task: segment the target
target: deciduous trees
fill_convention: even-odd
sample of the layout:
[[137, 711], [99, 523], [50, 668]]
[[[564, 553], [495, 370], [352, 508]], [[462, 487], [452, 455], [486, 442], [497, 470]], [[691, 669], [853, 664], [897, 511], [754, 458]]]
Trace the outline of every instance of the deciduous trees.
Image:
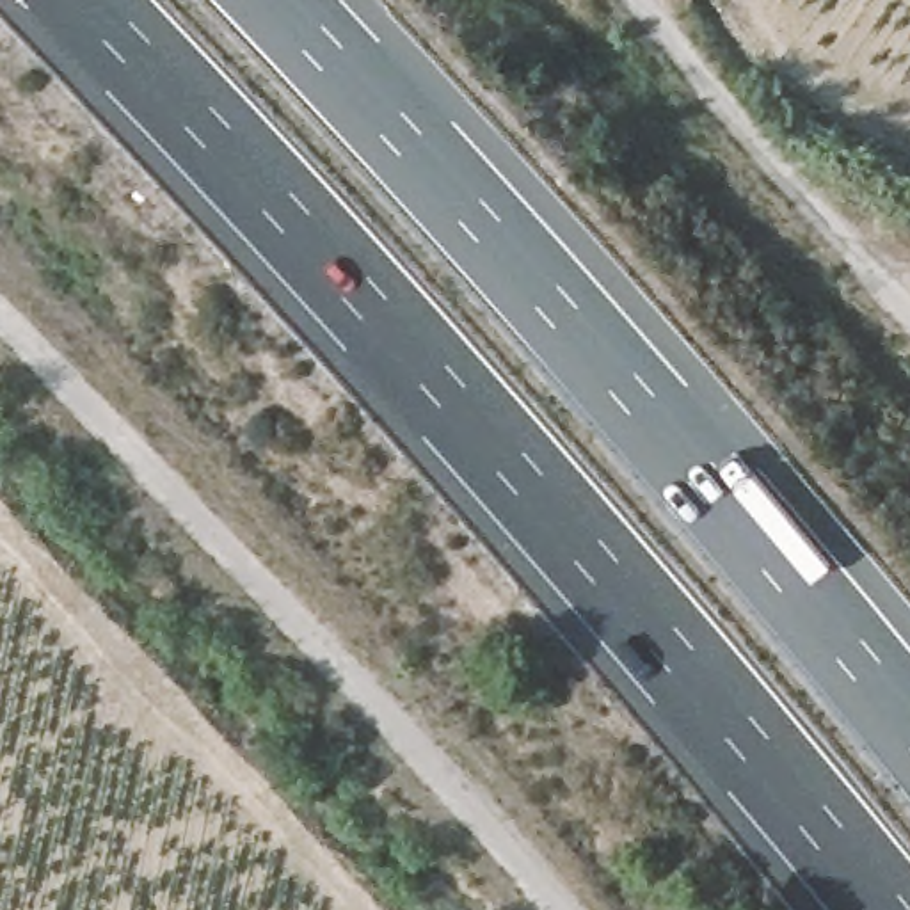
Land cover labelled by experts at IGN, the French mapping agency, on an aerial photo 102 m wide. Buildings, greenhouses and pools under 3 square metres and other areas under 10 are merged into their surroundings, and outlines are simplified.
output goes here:
[[135, 576], [114, 572], [100, 551], [89, 547], [89, 540], [100, 530], [96, 505], [78, 505], [64, 491], [68, 469], [25, 451], [14, 441], [11, 423], [0, 416], [0, 501], [64, 565], [64, 572], [92, 601], [100, 601], [107, 619], [114, 619], [199, 707], [224, 700], [224, 711], [231, 711], [245, 725], [245, 732], [256, 736], [256, 757], [249, 761], [284, 796], [295, 818], [331, 853], [338, 853], [345, 867], [359, 874], [359, 885], [370, 889], [373, 903], [384, 910], [476, 910], [455, 885], [434, 903], [423, 903], [412, 892], [427, 850], [405, 832], [405, 818], [384, 814], [370, 786], [355, 786], [348, 778], [338, 786], [331, 800], [320, 796], [316, 782], [302, 764], [302, 746], [309, 736], [309, 686], [302, 679], [291, 683], [274, 675], [263, 690], [256, 690], [242, 668], [238, 647], [206, 633], [203, 619], [181, 608], [174, 594], [149, 594], [164, 579], [153, 565], [139, 562]]
[[512, 732], [519, 739], [530, 739], [530, 729], [558, 729], [558, 707], [515, 704], [512, 675], [523, 668], [523, 640], [512, 636], [512, 629], [501, 619], [494, 619], [476, 647], [434, 647], [430, 668], [423, 668], [419, 675], [434, 686], [459, 686], [462, 700], [483, 707], [491, 718], [508, 714]]
[[775, 60], [754, 57], [743, 75], [732, 75], [725, 82], [725, 89], [761, 124], [775, 149], [850, 224], [860, 228], [878, 213], [889, 228], [910, 228], [910, 178], [896, 171], [878, 174], [871, 167], [867, 149], [842, 146], [842, 139], [828, 128], [807, 142], [796, 139], [789, 100], [782, 96], [778, 82], [761, 78], [764, 68]]
[[615, 50], [611, 68], [619, 82], [633, 100], [647, 100], [651, 92], [665, 92], [661, 68], [672, 60], [672, 53], [658, 43], [654, 32], [647, 32], [643, 39], [622, 39], [619, 28], [608, 28], [604, 39]]
[[622, 825], [629, 828], [647, 810], [647, 835], [683, 839], [690, 832], [690, 818], [672, 807], [668, 793], [661, 793], [636, 768], [629, 768], [636, 775], [636, 789], [626, 800]]
[[156, 363], [164, 363], [167, 352], [178, 345], [171, 338], [174, 291], [167, 284], [167, 267], [156, 259], [156, 249], [110, 249], [110, 256], [135, 281], [149, 284], [149, 299], [135, 320], [121, 323], [110, 295], [100, 291], [100, 252], [107, 252], [107, 238], [92, 224], [92, 213], [103, 203], [92, 192], [82, 192], [68, 178], [60, 178], [53, 185], [53, 196], [39, 199], [36, 206], [0, 203], [0, 228], [14, 228], [25, 256], [39, 267], [43, 284], [64, 295], [71, 306], [78, 306], [114, 345], [121, 345], [132, 363], [139, 363], [142, 377]]
[[203, 338], [210, 338], [213, 355], [220, 355], [235, 345], [228, 338], [228, 316], [199, 295], [199, 313], [192, 327]]
[[597, 857], [601, 867], [622, 885], [633, 910], [722, 910], [697, 906], [690, 882], [679, 871], [672, 871], [661, 882], [651, 882], [640, 850], [629, 842]]

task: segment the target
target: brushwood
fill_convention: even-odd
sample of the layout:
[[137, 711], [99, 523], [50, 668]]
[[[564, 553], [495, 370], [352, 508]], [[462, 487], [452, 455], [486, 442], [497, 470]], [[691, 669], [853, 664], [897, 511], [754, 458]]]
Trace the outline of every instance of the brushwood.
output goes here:
[[302, 679], [309, 686], [309, 736], [302, 746], [302, 764], [316, 782], [320, 796], [331, 800], [338, 786], [348, 778], [355, 786], [370, 786], [384, 814], [405, 818], [405, 832], [427, 850], [412, 892], [423, 903], [434, 903], [455, 885], [476, 910], [537, 910], [533, 903], [526, 903], [515, 878], [473, 839], [473, 832], [448, 814], [434, 789], [398, 754], [391, 754], [384, 736], [377, 732], [377, 722], [341, 693], [334, 672], [299, 654], [295, 640], [256, 608], [245, 587], [149, 491], [135, 483], [132, 469], [103, 441], [85, 434], [75, 412], [0, 338], [0, 416], [11, 423], [14, 441], [25, 451], [68, 469], [64, 491], [78, 505], [96, 505], [100, 530], [89, 540], [89, 547], [100, 551], [114, 572], [135, 576], [139, 562], [153, 565], [164, 579], [149, 594], [174, 594], [181, 608], [203, 619], [206, 633], [238, 647], [242, 668], [256, 690], [263, 690], [274, 675], [291, 683]]
[[786, 419], [810, 444], [814, 459], [839, 473], [839, 483], [850, 491], [850, 498], [860, 501], [864, 512], [874, 508], [885, 519], [892, 551], [910, 558], [910, 334], [903, 334], [885, 334], [885, 327], [874, 316], [864, 316], [860, 309], [842, 302], [839, 281], [850, 270], [850, 263], [832, 249], [825, 235], [814, 235], [814, 224], [800, 213], [796, 199], [754, 160], [743, 139], [732, 135], [732, 128], [690, 89], [686, 71], [672, 60], [661, 68], [665, 92], [651, 92], [647, 100], [633, 100], [619, 82], [611, 68], [615, 50], [604, 39], [608, 28], [619, 28], [622, 39], [643, 39], [647, 32], [654, 32], [654, 21], [636, 18], [626, 7], [626, 0], [416, 0], [427, 14], [441, 18], [441, 32], [462, 43], [462, 53], [473, 64], [476, 78], [487, 89], [505, 92], [505, 100], [519, 110], [523, 124], [551, 146], [558, 164], [587, 196], [594, 196], [601, 213], [633, 235], [636, 252], [658, 267], [658, 274], [686, 306], [686, 313], [700, 323], [700, 331], [707, 331], [711, 341], [725, 348], [746, 377], [768, 387], [775, 405], [786, 405]]
[[224, 700], [199, 707], [203, 718], [238, 750], [238, 757], [249, 761], [256, 757], [256, 736], [245, 732], [245, 725], [231, 711], [224, 711]]

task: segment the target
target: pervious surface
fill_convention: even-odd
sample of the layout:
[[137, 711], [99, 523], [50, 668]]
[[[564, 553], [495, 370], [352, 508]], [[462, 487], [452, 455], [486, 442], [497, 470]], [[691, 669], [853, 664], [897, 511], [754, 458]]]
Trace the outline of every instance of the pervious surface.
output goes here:
[[725, 89], [725, 82], [718, 68], [686, 39], [668, 0], [626, 0], [626, 7], [636, 18], [654, 21], [654, 32], [658, 43], [672, 53], [672, 60], [686, 71], [690, 89], [732, 128], [732, 135], [743, 139], [754, 160], [796, 199], [800, 213], [814, 224], [814, 235], [825, 235], [832, 249], [850, 263], [850, 270], [860, 277], [871, 299], [903, 327], [903, 334], [910, 334], [910, 259], [885, 256], [878, 249], [878, 238], [864, 235], [860, 228], [850, 224], [775, 149], [761, 124]]
[[206, 508], [206, 501], [149, 448], [149, 441], [100, 391], [85, 384], [82, 370], [36, 331], [36, 323], [25, 313], [18, 313], [0, 295], [0, 338], [75, 412], [85, 434], [103, 441], [132, 469], [135, 483], [149, 491], [245, 587], [256, 608], [295, 640], [299, 654], [334, 672], [341, 693], [377, 722], [377, 732], [384, 736], [391, 754], [398, 754], [434, 789], [448, 814], [473, 832], [473, 839], [515, 878], [526, 903], [533, 903], [537, 910], [583, 910], [569, 885], [544, 860], [544, 853], [533, 846], [533, 839], [526, 839], [444, 750], [434, 746], [430, 729], [419, 725], [416, 714], [409, 714], [395, 697], [380, 690], [377, 675], [355, 661], [341, 636], [331, 626], [323, 626], [291, 587], [284, 587], [235, 537], [235, 530], [224, 519], [217, 519]]

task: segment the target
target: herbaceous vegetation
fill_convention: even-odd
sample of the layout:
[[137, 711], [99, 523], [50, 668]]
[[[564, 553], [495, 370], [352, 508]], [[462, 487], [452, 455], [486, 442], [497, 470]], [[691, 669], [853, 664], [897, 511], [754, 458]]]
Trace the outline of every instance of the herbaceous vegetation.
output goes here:
[[[313, 348], [295, 352], [295, 331], [231, 267], [231, 259], [181, 213], [181, 206], [156, 188], [156, 181], [132, 160], [132, 153], [75, 100], [75, 92], [64, 82], [46, 82], [43, 71], [32, 68], [36, 53], [0, 18], [0, 203], [36, 206], [39, 199], [53, 196], [53, 185], [60, 178], [68, 178], [82, 192], [92, 192], [103, 203], [92, 213], [92, 224], [107, 238], [107, 252], [100, 252], [100, 291], [110, 295], [121, 323], [135, 320], [149, 299], [149, 284], [135, 281], [110, 256], [110, 249], [156, 249], [156, 259], [167, 267], [167, 284], [174, 291], [171, 338], [178, 345], [167, 352], [164, 363], [156, 363], [142, 377], [139, 363], [132, 363], [121, 345], [114, 345], [78, 306], [71, 306], [64, 295], [43, 284], [39, 267], [25, 256], [14, 228], [0, 228], [0, 295], [18, 313], [25, 313], [36, 323], [36, 331], [82, 370], [85, 384], [100, 391], [149, 441], [149, 448], [206, 501], [206, 508], [217, 519], [224, 519], [235, 530], [235, 537], [284, 587], [291, 587], [323, 626], [331, 626], [341, 636], [355, 661], [377, 675], [380, 690], [395, 697], [409, 714], [416, 714], [419, 725], [430, 729], [434, 746], [444, 750], [526, 839], [533, 839], [533, 846], [544, 853], [544, 860], [569, 885], [583, 910], [633, 910], [622, 885], [601, 867], [597, 857], [629, 842], [640, 850], [651, 882], [661, 882], [672, 871], [679, 871], [690, 882], [697, 906], [722, 910], [786, 910], [778, 899], [761, 899], [761, 874], [771, 867], [771, 860], [757, 850], [736, 853], [729, 842], [707, 832], [704, 807], [683, 796], [683, 789], [661, 771], [658, 757], [647, 757], [640, 743], [647, 732], [622, 711], [622, 704], [601, 686], [597, 675], [576, 683], [572, 693], [555, 679], [555, 643], [540, 636], [530, 622], [537, 608], [515, 587], [515, 579], [491, 558], [491, 551], [462, 519], [451, 515], [444, 498], [427, 483], [427, 476], [409, 466], [402, 448], [366, 412], [355, 412], [345, 402], [345, 387], [320, 363], [320, 355]], [[192, 327], [199, 313], [199, 295], [228, 316], [228, 338], [235, 345], [220, 355], [213, 355], [210, 338], [203, 338]], [[476, 647], [494, 619], [501, 619], [512, 629], [512, 636], [523, 640], [523, 668], [512, 675], [515, 704], [558, 707], [558, 729], [530, 729], [530, 739], [519, 739], [512, 732], [508, 714], [491, 718], [483, 707], [462, 700], [459, 686], [434, 686], [419, 675], [423, 668], [430, 668], [434, 647]], [[683, 839], [647, 835], [647, 810], [629, 828], [622, 825], [626, 800], [636, 789], [636, 775], [629, 768], [636, 768], [661, 793], [668, 793], [672, 807], [690, 818], [690, 832]]]

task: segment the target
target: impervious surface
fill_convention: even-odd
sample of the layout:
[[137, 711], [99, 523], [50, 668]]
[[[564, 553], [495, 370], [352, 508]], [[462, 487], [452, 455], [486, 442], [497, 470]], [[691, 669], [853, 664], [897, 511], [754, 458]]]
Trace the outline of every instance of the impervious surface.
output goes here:
[[786, 910], [910, 910], [910, 558], [892, 551], [885, 519], [874, 508], [864, 512], [860, 501], [850, 498], [850, 491], [839, 483], [839, 473], [814, 459], [810, 444], [786, 419], [786, 405], [775, 405], [768, 387], [746, 377], [725, 348], [711, 341], [707, 331], [700, 331], [700, 323], [686, 313], [686, 306], [658, 274], [658, 267], [636, 252], [633, 235], [601, 213], [594, 196], [587, 196], [558, 164], [551, 146], [523, 124], [519, 110], [505, 100], [505, 92], [487, 89], [476, 78], [473, 64], [462, 53], [462, 43], [441, 32], [441, 18], [427, 14], [416, 0], [0, 0], [0, 18], [36, 53], [32, 68], [43, 71], [46, 82], [64, 82], [75, 92], [75, 100], [132, 153], [132, 160], [156, 181], [156, 188], [181, 206], [181, 213], [231, 259], [231, 267], [295, 331], [295, 352], [313, 348], [320, 355], [320, 363], [345, 387], [345, 402], [355, 412], [366, 412], [402, 448], [409, 466], [427, 476], [427, 483], [444, 498], [451, 515], [462, 519], [491, 551], [491, 558], [515, 579], [515, 587], [537, 608], [530, 622], [540, 636], [555, 643], [555, 679], [572, 693], [576, 683], [597, 675], [601, 686], [622, 704], [622, 711], [647, 732], [640, 743], [647, 757], [658, 757], [661, 771], [683, 789], [683, 796], [704, 807], [707, 832], [729, 842], [736, 853], [757, 850], [771, 860], [771, 867], [761, 874], [761, 899], [778, 899]]

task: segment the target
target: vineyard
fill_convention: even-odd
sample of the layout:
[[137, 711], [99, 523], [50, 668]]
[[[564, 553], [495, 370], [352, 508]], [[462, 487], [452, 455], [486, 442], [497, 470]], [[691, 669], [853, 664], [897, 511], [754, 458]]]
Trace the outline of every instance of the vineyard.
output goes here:
[[199, 707], [114, 619], [107, 619], [100, 601], [92, 601], [64, 572], [64, 565], [0, 501], [0, 910], [384, 910], [373, 903], [370, 889], [359, 885], [359, 874], [345, 867], [338, 853], [331, 853], [295, 818], [284, 796], [249, 761], [238, 757], [238, 750], [203, 718]]
[[775, 60], [803, 60], [810, 85], [860, 78], [860, 89], [846, 96], [842, 110], [878, 110], [885, 121], [910, 128], [910, 0], [714, 0], [714, 11], [722, 14], [725, 28], [754, 57]]

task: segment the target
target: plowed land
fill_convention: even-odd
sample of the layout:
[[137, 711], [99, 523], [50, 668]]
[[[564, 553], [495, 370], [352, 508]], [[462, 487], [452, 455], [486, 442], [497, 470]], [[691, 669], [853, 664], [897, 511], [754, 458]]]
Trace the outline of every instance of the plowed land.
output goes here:
[[903, 334], [903, 327], [871, 299], [860, 277], [850, 270], [839, 281], [842, 302], [860, 309], [864, 316], [874, 316], [885, 327], [885, 334]]
[[732, 75], [743, 75], [754, 57], [725, 28], [722, 14], [714, 11], [714, 0], [668, 0], [686, 39], [718, 68], [725, 82]]
[[889, 228], [878, 213], [860, 228], [864, 235], [878, 238], [878, 249], [885, 256], [910, 259], [910, 228]]
[[860, 89], [860, 78], [810, 85], [803, 60], [775, 60], [764, 68], [761, 78], [778, 82], [782, 96], [789, 100], [796, 139], [807, 142], [828, 128], [842, 139], [842, 146], [867, 149], [871, 167], [878, 174], [896, 171], [910, 178], [910, 128], [885, 121], [878, 110], [842, 110], [846, 96]]

